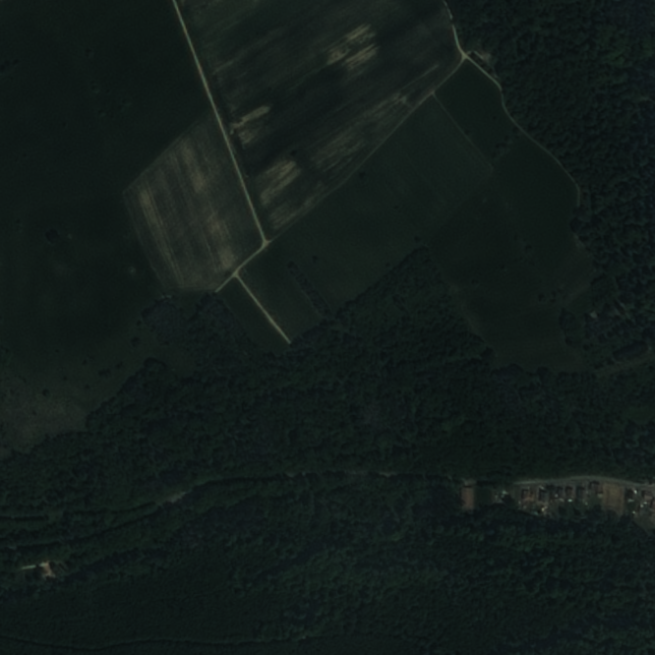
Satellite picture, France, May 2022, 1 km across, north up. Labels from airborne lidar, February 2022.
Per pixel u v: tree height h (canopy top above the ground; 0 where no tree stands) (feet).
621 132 55
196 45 0
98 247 0
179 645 41
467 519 47
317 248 0
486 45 48
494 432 43
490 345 0
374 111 0
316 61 0
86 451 91
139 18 0
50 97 0
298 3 0
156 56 0
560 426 41
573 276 0
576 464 20
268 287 0
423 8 0
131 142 0
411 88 0
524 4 65
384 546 34
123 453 73
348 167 0
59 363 0
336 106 0
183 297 0
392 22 0
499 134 0
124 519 60
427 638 33
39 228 0
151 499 52
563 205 0
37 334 0
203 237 0
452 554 26
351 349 51
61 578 71
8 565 70
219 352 38
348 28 0
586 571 37
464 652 52
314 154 0
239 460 83
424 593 36
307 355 69
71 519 83
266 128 0
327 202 0
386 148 0
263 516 62
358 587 101
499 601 39
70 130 0
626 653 118
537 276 0
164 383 44
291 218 0
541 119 65
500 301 0
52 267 0
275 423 39
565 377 39
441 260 0
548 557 86
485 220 0
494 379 51
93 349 0
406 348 57
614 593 114
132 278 0
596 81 63
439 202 0
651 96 101
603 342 69
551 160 0
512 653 106
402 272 35
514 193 0
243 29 0
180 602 36
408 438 111
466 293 0
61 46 0
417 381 49
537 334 0
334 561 115
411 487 75
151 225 0
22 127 0
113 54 0
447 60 0
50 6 0
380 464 48
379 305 31
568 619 50
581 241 73
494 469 27
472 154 0
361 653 50
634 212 99
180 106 0
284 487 83
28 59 0
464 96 0
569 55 57
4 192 0
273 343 0
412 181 0
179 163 0
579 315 0
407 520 85
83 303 0
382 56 0
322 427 72
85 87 0
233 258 0
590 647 112
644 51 96
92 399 0
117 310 0
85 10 0
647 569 29
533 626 43
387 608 46
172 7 0
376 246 0
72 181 0
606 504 0
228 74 0
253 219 0
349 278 0
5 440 0
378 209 0
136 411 46
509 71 46
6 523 61
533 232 0
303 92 0
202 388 86
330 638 45
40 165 0
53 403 0
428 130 0
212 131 0
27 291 0
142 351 0
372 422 80
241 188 0
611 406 44
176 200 0
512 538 105
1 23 0
